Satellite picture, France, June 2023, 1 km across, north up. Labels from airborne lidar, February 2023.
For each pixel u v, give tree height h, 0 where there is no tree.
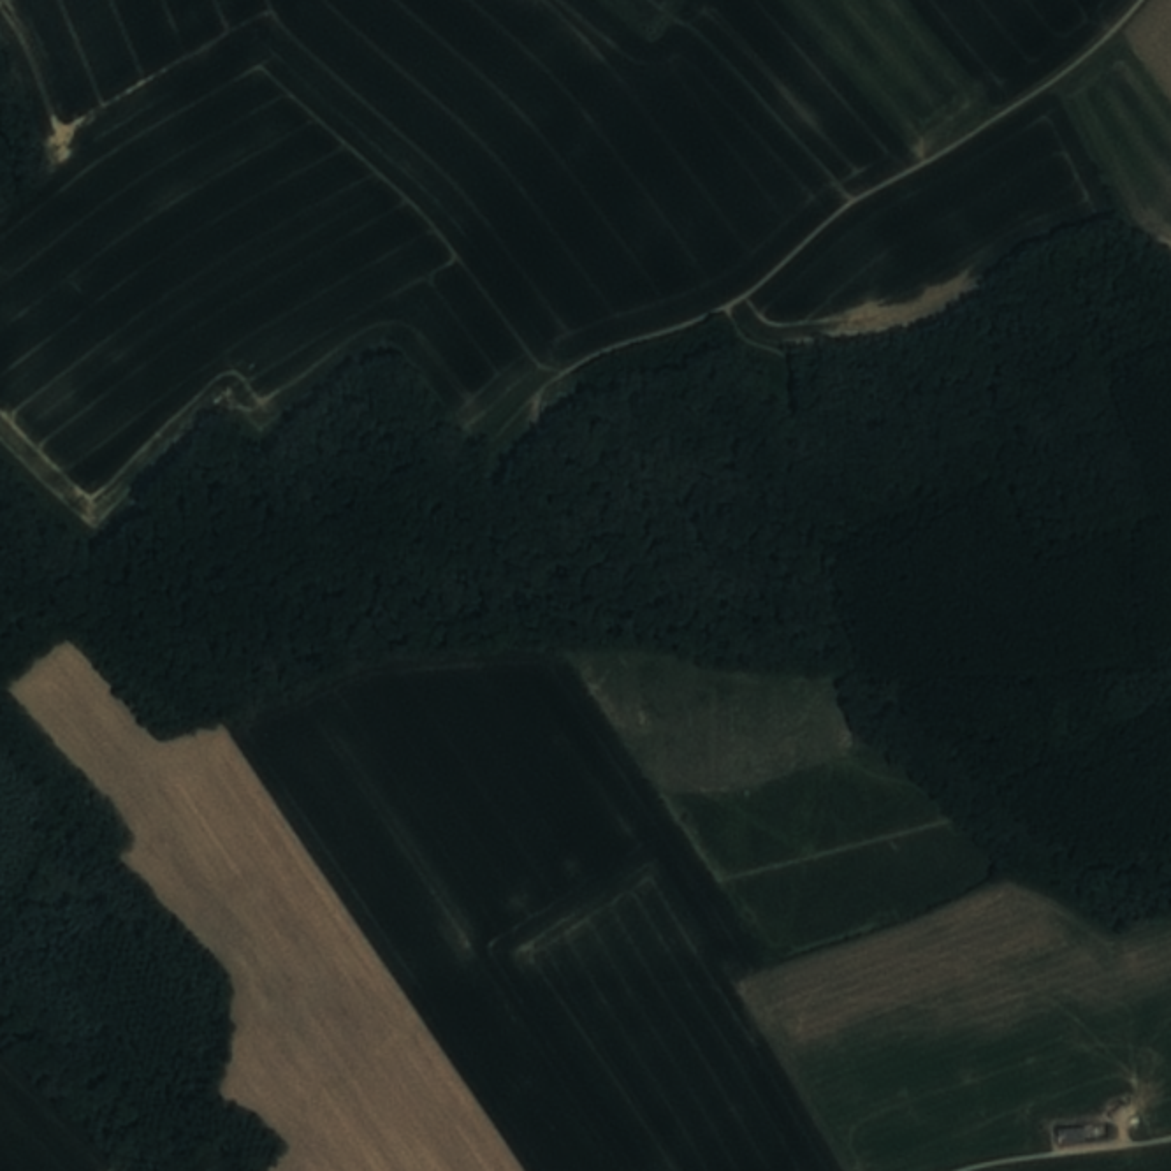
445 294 0
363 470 27
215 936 0
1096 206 0
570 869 0
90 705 0
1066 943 0
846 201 0
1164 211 0
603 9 0
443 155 0
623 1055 0
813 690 0
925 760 24
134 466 0
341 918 0
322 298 0
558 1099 0
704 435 28
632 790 0
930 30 0
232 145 0
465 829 0
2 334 0
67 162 0
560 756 0
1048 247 17
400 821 0
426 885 0
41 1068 23
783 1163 0
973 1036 0
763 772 0
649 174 0
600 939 0
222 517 27
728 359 22
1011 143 0
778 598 25
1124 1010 0
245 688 23
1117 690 20
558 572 13
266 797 0
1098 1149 0
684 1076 0
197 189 0
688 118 0
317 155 0
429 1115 0
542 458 25
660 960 0
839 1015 0
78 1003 20
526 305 0
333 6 0
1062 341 24
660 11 0
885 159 0
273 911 0
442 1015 0
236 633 25
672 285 0
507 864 0
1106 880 24
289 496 27
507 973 0
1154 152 0
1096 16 0
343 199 0
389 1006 0
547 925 0
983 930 0
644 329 0
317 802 0
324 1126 0
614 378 19
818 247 0
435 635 23
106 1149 19
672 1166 0
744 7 0
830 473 26
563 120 0
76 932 14
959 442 27
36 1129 0
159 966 20
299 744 0
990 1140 0
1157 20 0
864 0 0
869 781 0
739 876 0
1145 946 0
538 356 0
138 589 26
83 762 0
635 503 25
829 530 25
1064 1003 0
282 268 0
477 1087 0
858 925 0
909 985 0
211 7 0
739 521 27
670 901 0
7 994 24
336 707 0
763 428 27
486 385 0
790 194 0
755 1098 0
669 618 24
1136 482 22
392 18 0
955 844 0
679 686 0
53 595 28
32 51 0
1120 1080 0
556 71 0
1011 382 24
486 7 0
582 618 25
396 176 0
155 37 0
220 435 23
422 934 0
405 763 0
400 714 0
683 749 0
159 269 0
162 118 0
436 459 25
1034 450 23
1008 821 23
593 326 0
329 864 0
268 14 0
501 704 0
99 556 23
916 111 0
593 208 0
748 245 0
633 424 26
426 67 0
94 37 0
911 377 25
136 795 0
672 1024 0
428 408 21
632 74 0
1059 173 0
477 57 0
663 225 0
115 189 0
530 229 0
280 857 0
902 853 0
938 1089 0
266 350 0
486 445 13
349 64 0
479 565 22
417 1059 0
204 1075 19
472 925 0
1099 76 0
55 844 8
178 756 0
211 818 0
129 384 0
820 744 0
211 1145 21
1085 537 19
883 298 0
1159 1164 0
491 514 24
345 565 23
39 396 0
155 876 0
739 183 0
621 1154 0
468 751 0
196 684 25
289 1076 0
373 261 0
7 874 17
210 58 0
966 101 0
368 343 0
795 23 0
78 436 0
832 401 25
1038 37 0
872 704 23
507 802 0
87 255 0
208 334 0
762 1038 0
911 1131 0
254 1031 0
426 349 0
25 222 0
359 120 0
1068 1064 0
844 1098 0
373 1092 0
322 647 23
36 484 0
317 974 0
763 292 0
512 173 0
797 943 0
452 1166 0
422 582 18
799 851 0
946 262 0
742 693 0
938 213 0
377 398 24
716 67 0
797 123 0
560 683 0
